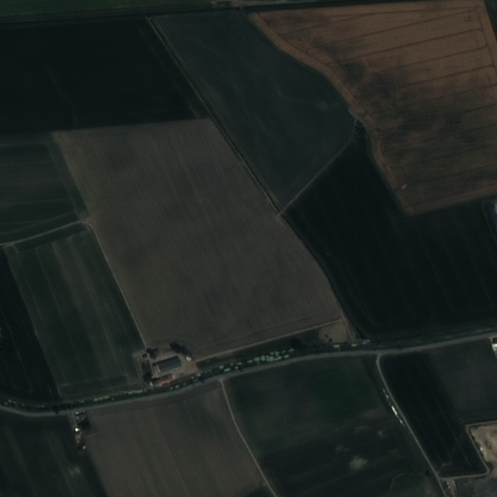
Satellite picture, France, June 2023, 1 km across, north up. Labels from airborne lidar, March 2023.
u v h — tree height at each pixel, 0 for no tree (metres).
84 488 0
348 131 0
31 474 0
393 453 0
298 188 0
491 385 0
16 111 0
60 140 0
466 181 0
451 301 0
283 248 0
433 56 0
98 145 0
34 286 0
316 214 0
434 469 0
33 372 0
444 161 0
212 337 0
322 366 0
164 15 0
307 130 0
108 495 0
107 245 0
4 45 0
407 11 0
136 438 0
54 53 0
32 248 0
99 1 0
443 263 0
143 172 0
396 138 0
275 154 0
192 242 0
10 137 0
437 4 0
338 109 0
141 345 0
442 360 0
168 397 0
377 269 0
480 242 0
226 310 0
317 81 0
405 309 0
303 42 0
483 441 0
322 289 0
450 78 0
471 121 0
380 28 0
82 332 0
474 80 0
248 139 0
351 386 0
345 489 0
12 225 0
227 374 0
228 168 0
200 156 0
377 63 0
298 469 0
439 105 0
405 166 0
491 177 0
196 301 0
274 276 0
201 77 0
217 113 0
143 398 0
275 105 0
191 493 0
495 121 0
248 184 0
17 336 0
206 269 0
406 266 0
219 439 0
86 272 0
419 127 0
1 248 0
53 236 0
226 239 0
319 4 0
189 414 0
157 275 0
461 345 0
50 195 0
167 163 0
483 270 0
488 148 0
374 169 0
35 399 0
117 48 0
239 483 0
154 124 0
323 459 0
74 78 0
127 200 0
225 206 0
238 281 0
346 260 0
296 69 0
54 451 0
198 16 0
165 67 0
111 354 0
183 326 0
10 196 0
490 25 0
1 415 0
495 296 0
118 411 0
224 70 0
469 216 0
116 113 0
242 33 0
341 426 0
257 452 0
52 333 0
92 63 0
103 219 0
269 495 0
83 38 0
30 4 0
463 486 0
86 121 0
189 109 0
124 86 0
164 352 0
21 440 0
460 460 0
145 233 0
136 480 0
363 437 0
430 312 0
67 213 0
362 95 0
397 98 0
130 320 0
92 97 0
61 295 0
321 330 0
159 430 0
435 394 0
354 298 0
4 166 0
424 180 0
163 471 0
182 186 0
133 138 0
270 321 0
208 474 0
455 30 0
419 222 0
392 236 0
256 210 0
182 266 0
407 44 0
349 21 0
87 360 0
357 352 0
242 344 0
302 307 0
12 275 0
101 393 0
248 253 0
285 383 0
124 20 0
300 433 0
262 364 0
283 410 0
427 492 0
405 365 0
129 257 0
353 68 0
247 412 0
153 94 0
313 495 0
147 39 0
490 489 0
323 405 0
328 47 0
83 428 11
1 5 0
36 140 0
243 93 0
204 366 0
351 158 0
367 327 0
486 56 0
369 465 0
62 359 0
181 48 0
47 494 0
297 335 0
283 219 0
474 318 0
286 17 0
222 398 0
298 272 0
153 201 0
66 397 0
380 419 0
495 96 0
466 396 0
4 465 0
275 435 0
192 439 0
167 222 0
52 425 0
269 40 0
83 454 0
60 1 0
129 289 0
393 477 0
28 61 0
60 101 0
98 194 0
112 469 0
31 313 0
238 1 0
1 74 0
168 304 0
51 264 0
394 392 0
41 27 0
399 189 0
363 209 0
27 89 0
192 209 0
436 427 0
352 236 0
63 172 0
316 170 0
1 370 0
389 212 0
